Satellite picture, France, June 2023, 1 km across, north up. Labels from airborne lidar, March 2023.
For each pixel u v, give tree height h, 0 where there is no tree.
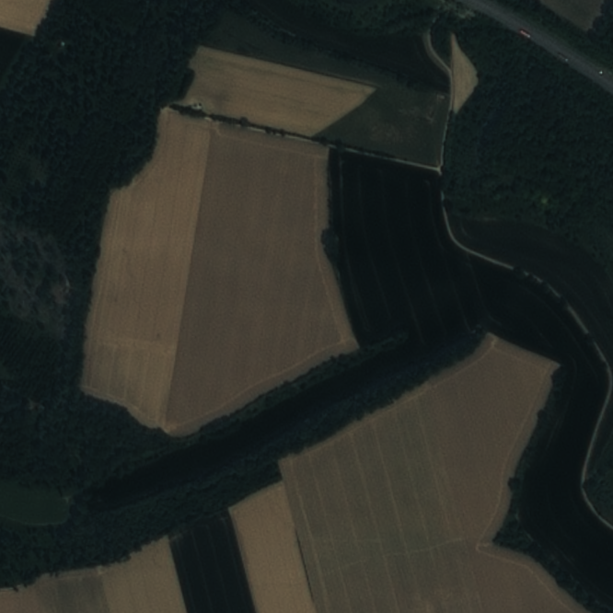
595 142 20
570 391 0
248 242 0
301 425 20
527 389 0
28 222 26
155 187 0
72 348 21
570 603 0
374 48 0
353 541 0
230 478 11
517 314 0
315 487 0
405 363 0
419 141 0
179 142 0
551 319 0
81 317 20
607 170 20
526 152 21
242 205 0
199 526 0
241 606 0
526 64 17
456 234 0
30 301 23
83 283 22
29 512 0
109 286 0
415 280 0
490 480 0
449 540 0
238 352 0
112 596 0
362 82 0
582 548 0
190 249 0
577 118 18
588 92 8
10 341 6
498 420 0
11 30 0
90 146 19
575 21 0
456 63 0
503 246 0
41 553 22
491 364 0
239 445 0
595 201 16
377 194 0
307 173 0
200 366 0
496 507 0
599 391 0
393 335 14
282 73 0
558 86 22
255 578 0
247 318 0
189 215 0
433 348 0
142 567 0
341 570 0
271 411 0
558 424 0
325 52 6
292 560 0
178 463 0
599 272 0
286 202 0
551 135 15
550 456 0
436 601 0
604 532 0
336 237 13
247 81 0
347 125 0
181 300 0
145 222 0
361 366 0
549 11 9
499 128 13
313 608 0
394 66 0
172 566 0
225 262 0
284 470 0
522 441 0
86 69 23
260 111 0
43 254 28
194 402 0
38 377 8
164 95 20
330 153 0
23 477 12
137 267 0
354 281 0
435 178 0
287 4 0
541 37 0
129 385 0
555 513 0
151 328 0
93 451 24
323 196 0
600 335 0
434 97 0
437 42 16
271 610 0
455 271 0
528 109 17
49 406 23
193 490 16
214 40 0
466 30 18
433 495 0
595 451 0
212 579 0
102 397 0
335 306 0
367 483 0
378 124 0
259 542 0
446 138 6
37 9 0
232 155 0
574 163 20
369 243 0
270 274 0
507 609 0
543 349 0
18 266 27
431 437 0
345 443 0
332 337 0
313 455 0
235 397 0
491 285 0
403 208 0
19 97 23
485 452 0
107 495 0
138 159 25
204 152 0
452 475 0
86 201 15
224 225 0
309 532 0
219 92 0
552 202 13
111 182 16
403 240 0
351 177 0
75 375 23
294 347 0
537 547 13
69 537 8
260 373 0
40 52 9
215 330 0
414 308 0
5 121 25
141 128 22
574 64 0
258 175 0
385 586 0
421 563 0
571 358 0
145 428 9
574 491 0
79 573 0
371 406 15
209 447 0
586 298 0
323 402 0
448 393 0
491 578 0
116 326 0
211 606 0
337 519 0
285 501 0
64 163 18
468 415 0
